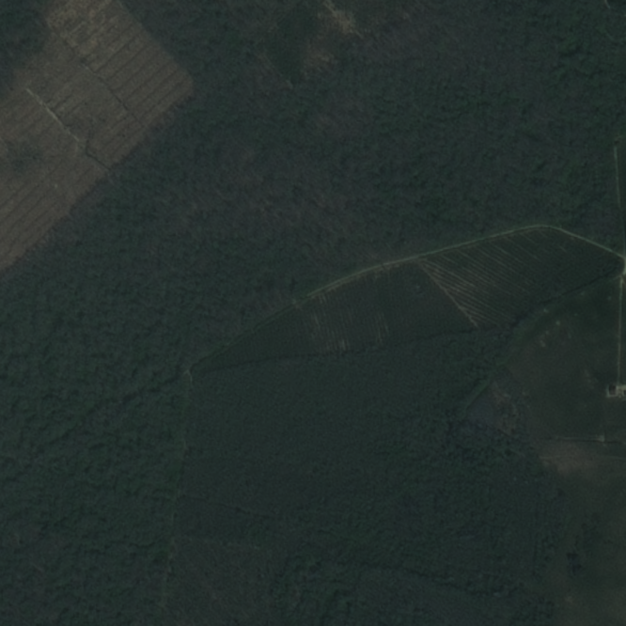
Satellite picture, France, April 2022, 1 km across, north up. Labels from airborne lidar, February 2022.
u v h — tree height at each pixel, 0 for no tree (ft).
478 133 79
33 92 0
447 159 94
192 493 52
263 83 0
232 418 63
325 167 103
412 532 49
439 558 47
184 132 79
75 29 0
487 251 0
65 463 90
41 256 62
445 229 85
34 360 84
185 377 82
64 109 0
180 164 90
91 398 86
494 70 94
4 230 0
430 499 71
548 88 87
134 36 0
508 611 96
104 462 62
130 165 75
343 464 60
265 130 86
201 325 90
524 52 82
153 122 0
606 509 0
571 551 0
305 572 85
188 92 0
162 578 88
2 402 78
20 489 79
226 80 94
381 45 103
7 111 0
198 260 91
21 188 0
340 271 77
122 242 94
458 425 68
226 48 94
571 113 88
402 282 22
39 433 81
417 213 91
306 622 75
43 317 83
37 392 97
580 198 69
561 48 99
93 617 90
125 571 89
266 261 82
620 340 0
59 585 80
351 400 0
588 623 0
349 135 88
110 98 0
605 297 0
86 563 82
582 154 93
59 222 0
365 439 63
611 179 73
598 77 85
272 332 20
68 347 98
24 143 0
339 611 77
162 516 86
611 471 0
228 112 90
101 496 81
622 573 0
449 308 22
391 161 79
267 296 85
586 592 0
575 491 0
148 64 0
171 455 71
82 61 0
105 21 0
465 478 70
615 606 0
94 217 83
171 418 83
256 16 97
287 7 83
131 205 90
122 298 81
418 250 78
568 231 0
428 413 72
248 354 20
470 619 91
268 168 90
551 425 0
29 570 75
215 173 101
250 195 70
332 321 0
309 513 0
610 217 70
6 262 0
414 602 79
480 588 0
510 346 78
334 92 90
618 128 77
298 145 88
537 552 0
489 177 93
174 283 89
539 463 39
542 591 0
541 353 0
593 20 83
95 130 0
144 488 76
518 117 84
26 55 84
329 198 94
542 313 55
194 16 100
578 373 0
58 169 0
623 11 22
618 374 0
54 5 0
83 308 85
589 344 0
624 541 0
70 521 70
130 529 89
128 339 91
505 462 49
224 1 0
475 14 96
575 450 0
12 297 89
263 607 55
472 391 23
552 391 0
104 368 78
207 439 59
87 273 82
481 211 106
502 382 30
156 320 87
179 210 96
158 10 80
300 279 78
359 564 58
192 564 0
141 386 83
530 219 87
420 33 83
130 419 80
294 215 93
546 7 98
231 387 63
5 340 88
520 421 25
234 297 90
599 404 0
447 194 94
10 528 78
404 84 84
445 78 85
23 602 90
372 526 0
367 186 89
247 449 59
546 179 91
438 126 94
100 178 0
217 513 55
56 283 74
